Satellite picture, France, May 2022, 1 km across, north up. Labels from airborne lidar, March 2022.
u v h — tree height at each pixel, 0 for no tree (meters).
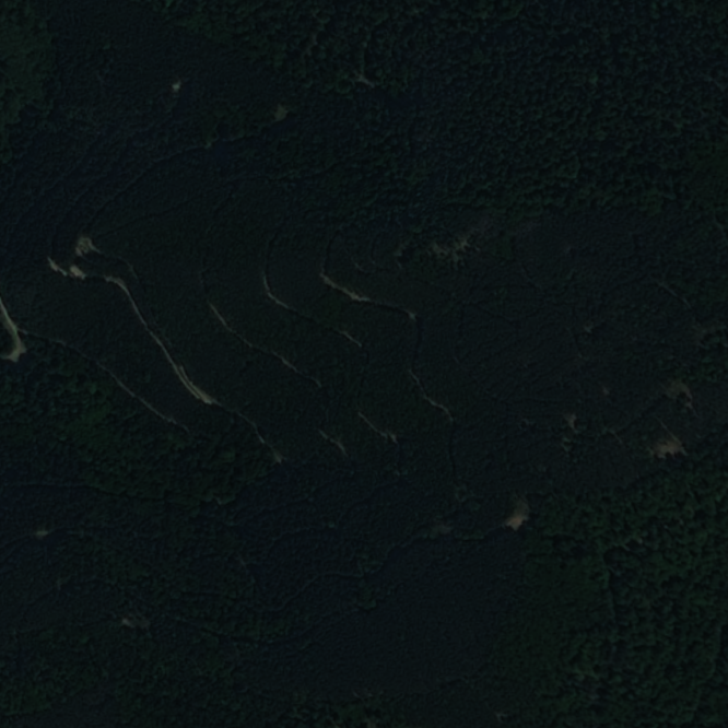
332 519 21
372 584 24
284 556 28
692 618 34
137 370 23
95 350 19
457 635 18
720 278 25
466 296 22
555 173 25
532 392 22
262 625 24
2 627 20
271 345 19
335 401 21
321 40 17
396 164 27
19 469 34
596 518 28
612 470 20
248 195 22
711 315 19
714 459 30
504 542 22
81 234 18
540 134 30
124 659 22
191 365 17
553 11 31
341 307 18
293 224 18
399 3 30
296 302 17
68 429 29
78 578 20
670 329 24
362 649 17
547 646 12
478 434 20
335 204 23
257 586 25
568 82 27
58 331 20
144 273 18
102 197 30
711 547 30
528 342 23
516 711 10
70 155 25
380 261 17
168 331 16
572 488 22
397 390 19
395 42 31
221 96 28
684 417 22
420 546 22
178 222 20
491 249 20
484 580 17
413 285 19
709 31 20
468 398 19
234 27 28
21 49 23
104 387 19
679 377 18
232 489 29
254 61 24
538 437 19
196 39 23
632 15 32
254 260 20
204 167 20
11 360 0
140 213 20
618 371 22
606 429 10
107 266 22
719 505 31
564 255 19
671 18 32
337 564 32
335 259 20
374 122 33
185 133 26
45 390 23
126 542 25
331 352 21
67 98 27
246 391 18
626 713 31
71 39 27
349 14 31
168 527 27
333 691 20
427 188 11
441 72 28
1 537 29
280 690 15
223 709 16
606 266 23
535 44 31
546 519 22
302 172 28
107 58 25
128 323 24
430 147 25
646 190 33
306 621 21
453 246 12
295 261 19
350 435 18
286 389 21
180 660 20
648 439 23
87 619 18
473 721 15
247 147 23
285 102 20
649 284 23
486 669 17
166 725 19
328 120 21
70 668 21
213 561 27
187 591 16
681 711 33
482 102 19
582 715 27
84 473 26
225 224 20
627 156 20
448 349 18
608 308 24
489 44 35
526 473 21
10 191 31
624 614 32
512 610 16
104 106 28
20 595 18
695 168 14
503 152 29
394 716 14
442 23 36
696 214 20
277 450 20
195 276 16
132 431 25
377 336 21
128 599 19
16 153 28
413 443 21
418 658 20
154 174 22
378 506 21
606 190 27
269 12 31
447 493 22
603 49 33
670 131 26
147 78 22
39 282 19
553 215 22
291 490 33
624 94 30
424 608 17
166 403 21
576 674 26
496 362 21
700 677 28
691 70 27
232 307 17
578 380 22
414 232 12
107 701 23
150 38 24
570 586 14
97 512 29
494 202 18
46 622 17
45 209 28
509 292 21
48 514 29
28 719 26
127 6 25
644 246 24
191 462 29
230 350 20
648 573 37
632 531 28
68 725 26
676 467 28
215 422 20
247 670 21
